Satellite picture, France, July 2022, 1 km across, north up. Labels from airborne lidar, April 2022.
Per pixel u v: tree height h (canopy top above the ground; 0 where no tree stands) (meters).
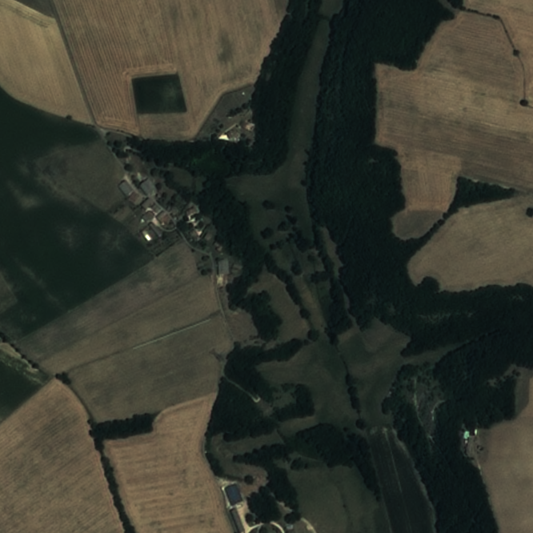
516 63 0
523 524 0
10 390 0
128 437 8
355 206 13
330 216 16
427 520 0
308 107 0
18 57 0
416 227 0
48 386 0
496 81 0
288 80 11
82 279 0
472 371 11
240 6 0
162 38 0
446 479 14
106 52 0
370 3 17
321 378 0
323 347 0
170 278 0
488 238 0
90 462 0
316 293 0
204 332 0
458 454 13
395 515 0
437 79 0
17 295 0
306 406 16
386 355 0
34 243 0
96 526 0
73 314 0
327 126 12
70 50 0
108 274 0
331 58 14
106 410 0
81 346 0
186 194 10
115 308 0
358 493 0
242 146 15
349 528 0
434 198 0
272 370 0
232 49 0
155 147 15
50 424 0
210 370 0
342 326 17
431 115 0
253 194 0
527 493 0
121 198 0
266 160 19
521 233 0
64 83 0
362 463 14
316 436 19
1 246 0
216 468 9
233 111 10
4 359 0
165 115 0
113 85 0
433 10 12
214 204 12
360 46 11
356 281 13
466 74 0
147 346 0
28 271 0
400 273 11
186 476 0
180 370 0
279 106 20
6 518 0
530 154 0
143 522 0
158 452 0
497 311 15
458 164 0
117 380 0
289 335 0
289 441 0
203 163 15
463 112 0
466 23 0
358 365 0
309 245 29
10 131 0
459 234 0
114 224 0
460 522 8
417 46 9
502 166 0
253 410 15
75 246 0
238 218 16
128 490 0
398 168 12
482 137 0
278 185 0
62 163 0
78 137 0
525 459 0
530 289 13
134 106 0
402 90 0
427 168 0
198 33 0
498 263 0
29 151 0
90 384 0
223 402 10
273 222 0
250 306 7
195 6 0
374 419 0
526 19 0
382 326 0
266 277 0
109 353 0
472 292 7
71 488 0
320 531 0
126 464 0
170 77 0
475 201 12
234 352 7
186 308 0
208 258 8
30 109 0
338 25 20
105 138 0
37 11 0
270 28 0
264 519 17
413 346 15
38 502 0
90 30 0
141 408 0
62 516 0
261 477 0
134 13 0
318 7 11
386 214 9
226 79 0
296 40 16
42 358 0
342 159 13
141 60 0
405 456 0
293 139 0
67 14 0
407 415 15
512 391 11
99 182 0
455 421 9
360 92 8
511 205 0
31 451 0
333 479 0
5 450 0
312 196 16
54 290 0
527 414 0
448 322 8
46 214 0
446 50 0
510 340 15
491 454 0
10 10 0
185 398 0
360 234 15
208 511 0
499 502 0
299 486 0
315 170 11
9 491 0
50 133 0
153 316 0
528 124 0
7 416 0
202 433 0
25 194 0
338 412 0
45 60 0
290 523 12
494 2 0
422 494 0
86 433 0
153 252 0
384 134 0
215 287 0
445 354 0
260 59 0
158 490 0
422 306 14
